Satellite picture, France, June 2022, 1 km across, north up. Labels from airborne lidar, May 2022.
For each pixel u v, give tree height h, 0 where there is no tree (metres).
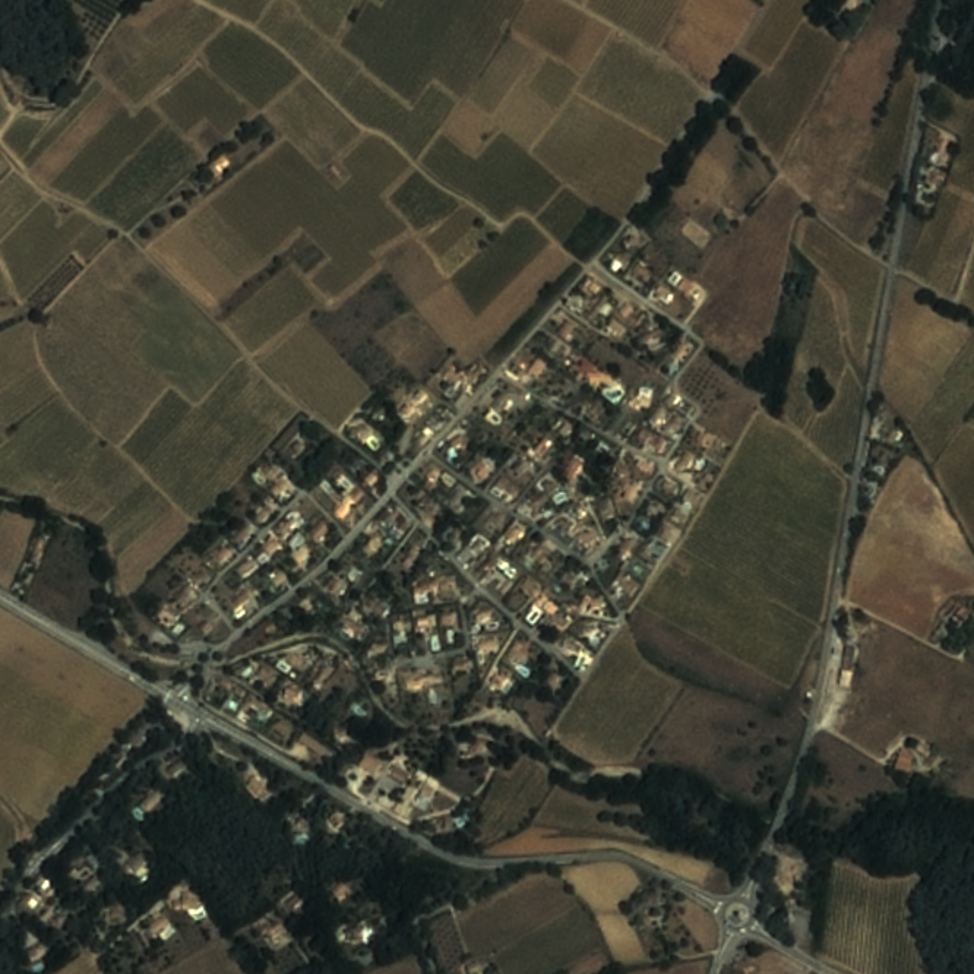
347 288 0
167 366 0
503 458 10
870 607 0
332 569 11
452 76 0
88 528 10
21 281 0
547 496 0
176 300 0
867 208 0
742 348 0
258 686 7
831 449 0
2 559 0
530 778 0
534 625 0
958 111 0
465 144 0
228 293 0
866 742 0
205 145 0
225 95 0
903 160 0
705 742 0
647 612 0
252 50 0
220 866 14
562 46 0
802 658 0
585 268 0
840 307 0
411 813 0
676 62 0
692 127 13
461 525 7
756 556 0
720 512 0
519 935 0
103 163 0
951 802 9
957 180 0
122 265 0
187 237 0
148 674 11
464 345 0
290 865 16
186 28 0
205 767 17
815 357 0
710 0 0
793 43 0
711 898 0
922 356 0
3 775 0
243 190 0
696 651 0
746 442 0
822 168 0
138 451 0
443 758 13
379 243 0
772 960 0
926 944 21
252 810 16
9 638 0
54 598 0
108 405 0
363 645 6
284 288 0
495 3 0
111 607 11
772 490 0
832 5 13
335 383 0
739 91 12
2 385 0
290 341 0
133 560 0
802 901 20
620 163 0
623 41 0
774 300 0
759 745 0
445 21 0
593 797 12
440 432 0
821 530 0
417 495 8
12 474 0
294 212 0
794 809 11
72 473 0
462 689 0
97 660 0
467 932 0
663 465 0
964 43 22
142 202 0
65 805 16
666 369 7
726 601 0
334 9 0
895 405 0
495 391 0
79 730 0
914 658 0
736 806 15
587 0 0
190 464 0
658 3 0
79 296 0
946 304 12
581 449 5
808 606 0
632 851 0
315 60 0
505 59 0
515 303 0
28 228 0
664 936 7
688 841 14
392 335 0
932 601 0
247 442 0
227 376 0
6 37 23
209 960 0
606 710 0
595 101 0
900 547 0
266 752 0
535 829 0
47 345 0
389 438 9
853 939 0
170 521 0
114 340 0
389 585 11
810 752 8
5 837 0
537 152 0
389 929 15
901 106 0
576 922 0
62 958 11
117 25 0
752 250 0
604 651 0
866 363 0
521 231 0
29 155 0
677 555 0
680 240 0
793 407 0
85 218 0
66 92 23
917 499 0
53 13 24
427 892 8
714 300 0
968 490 0
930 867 12
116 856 12
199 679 11
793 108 0
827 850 7
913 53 18
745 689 0
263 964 16
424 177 0
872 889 0
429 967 10
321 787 12
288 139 0
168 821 14
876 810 15
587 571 10
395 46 0
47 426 0
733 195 0
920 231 0
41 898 22
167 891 15
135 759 11
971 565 0
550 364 7
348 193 0
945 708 0
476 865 0
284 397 0
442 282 0
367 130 0
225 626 0
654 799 14
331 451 14
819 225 0
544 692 12
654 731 0
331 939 16
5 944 18
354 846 13
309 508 0
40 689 0
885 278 0
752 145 13
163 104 0
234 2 0
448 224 0
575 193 0
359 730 17
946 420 0
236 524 12
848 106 0
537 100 0
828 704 0
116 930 7
